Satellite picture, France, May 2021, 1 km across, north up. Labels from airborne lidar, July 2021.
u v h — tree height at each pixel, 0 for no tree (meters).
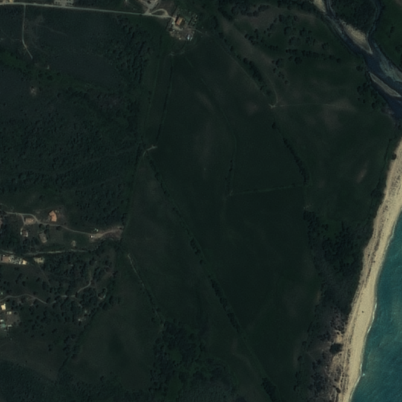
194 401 6
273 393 20
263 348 0
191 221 0
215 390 7
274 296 0
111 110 7
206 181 0
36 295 12
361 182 0
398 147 0
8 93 0
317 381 8
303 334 0
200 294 0
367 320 0
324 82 0
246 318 0
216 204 0
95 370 0
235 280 0
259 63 0
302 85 0
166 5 0
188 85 0
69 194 0
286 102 0
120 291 0
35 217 0
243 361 0
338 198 0
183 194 0
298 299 0
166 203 0
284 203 0
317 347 0
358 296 0
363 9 7
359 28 9
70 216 0
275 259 0
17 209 0
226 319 0
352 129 0
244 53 0
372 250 0
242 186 0
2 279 14
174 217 0
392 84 0
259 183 0
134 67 10
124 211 0
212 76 0
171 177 0
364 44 0
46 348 0
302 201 0
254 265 0
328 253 12
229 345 0
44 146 6
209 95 0
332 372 0
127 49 8
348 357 0
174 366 13
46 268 15
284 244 0
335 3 9
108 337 0
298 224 0
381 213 0
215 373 11
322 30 0
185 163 0
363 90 9
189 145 0
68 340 14
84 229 0
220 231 0
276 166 0
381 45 7
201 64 0
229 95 0
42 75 7
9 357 0
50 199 0
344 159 0
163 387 10
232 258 0
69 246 0
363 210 0
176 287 0
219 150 0
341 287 7
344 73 0
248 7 8
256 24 0
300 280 0
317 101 0
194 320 0
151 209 0
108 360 0
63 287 8
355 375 0
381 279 0
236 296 0
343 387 0
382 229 0
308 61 0
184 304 0
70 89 8
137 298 0
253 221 0
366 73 6
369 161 0
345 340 0
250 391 0
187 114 0
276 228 0
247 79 0
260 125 0
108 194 11
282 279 0
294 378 0
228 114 0
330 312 0
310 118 0
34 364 0
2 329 0
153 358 0
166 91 0
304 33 15
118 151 8
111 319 0
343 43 9
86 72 0
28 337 0
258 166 0
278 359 0
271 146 0
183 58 0
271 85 0
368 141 0
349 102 0
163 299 0
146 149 8
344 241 11
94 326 0
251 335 0
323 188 0
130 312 0
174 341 11
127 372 0
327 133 0
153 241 0
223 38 13
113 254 0
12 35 6
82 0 7
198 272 0
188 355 8
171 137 0
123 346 0
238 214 0
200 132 0
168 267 0
